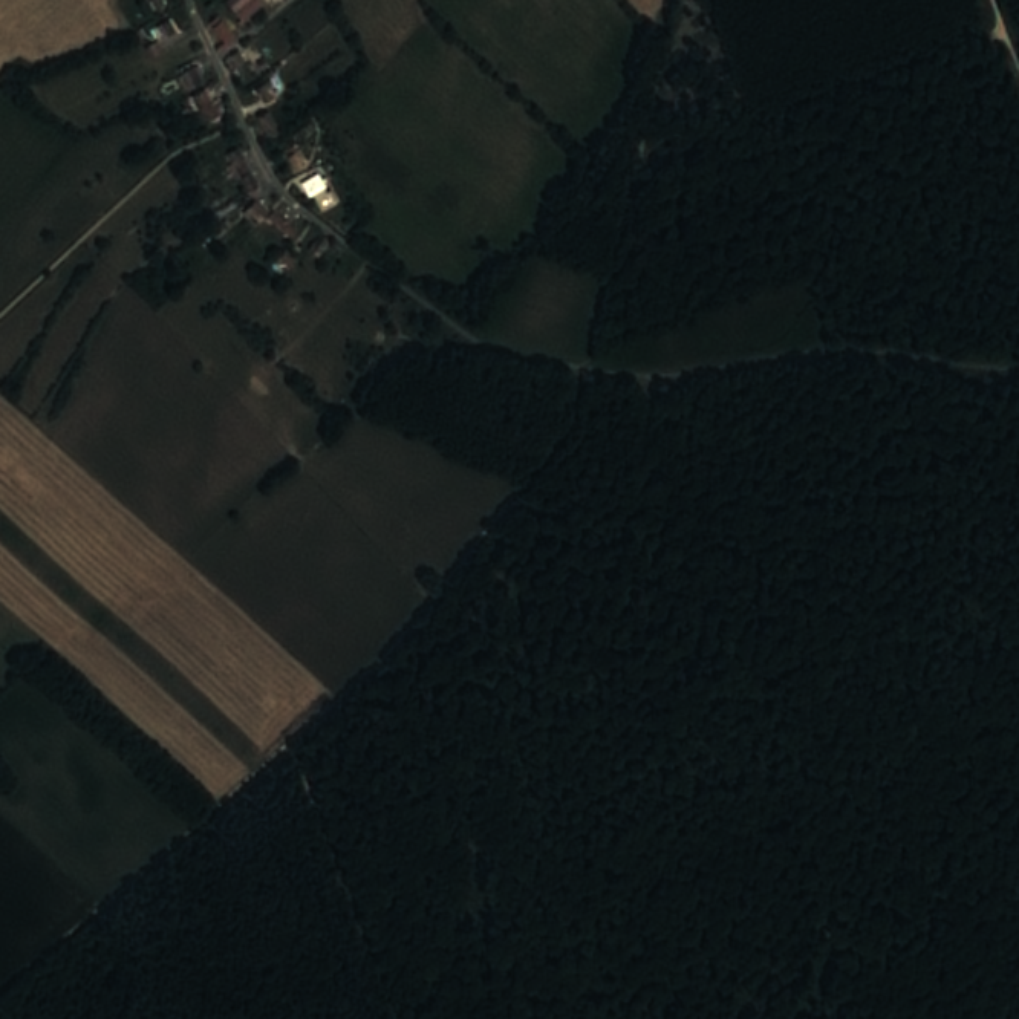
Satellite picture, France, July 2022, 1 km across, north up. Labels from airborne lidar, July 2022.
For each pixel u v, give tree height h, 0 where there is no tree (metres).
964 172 24
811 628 21
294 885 19
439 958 25
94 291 0
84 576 0
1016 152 25
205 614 0
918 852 21
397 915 27
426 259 0
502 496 0
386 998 13
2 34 0
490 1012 24
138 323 0
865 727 23
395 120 0
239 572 0
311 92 0
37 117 7
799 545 25
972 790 26
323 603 0
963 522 27
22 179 0
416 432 12
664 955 25
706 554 29
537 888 25
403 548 0
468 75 0
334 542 0
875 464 24
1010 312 27
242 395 0
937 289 25
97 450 0
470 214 0
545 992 26
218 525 0
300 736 12
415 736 29
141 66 0
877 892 25
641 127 25
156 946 18
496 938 30
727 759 25
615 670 27
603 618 30
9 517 0
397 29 0
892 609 25
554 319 0
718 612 26
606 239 17
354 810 26
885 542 27
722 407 18
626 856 26
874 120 26
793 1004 23
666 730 28
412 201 0
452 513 0
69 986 11
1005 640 24
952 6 16
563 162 0
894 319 27
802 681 24
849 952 28
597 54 0
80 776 0
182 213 11
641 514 26
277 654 0
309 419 0
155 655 0
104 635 0
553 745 22
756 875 27
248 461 0
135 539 0
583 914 30
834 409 26
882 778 26
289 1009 21
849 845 23
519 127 0
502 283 20
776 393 22
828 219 30
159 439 0
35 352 9
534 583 30
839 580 26
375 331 0
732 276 20
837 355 17
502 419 25
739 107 24
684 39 0
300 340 0
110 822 0
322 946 21
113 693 0
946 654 24
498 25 0
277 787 25
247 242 0
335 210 0
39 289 0
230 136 12
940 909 26
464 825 30
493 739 20
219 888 21
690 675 27
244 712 0
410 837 30
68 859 0
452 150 0
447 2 0
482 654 24
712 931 28
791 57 17
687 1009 29
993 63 24
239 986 21
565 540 12
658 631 28
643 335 17
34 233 0
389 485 0
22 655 17
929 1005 24
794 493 26
